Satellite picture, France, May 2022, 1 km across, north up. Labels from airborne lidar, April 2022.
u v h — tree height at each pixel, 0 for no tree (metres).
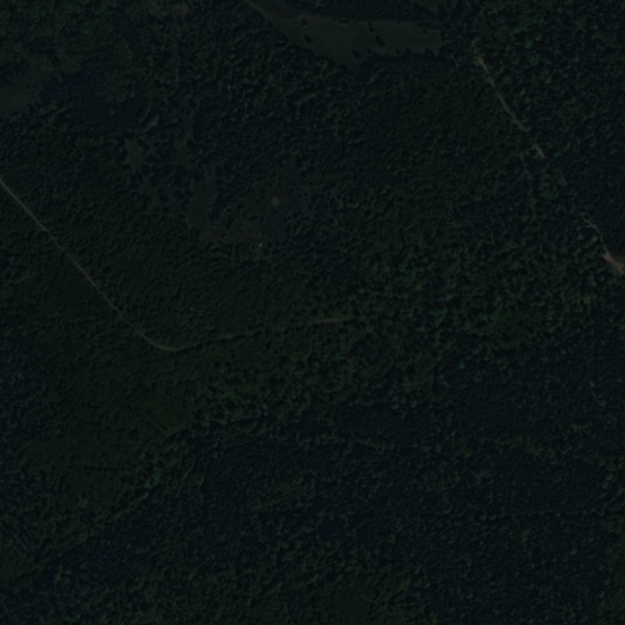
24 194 7
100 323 12
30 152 11
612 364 25
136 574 28
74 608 33
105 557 25
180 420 9
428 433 25
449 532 23
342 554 7
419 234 14
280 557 16
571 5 26
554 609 14
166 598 18
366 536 25
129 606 12
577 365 25
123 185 9
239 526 20
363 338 9
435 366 15
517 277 28
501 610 18
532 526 20
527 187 31
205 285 11
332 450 24
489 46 14
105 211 11
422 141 12
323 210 9
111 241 9
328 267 16
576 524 22
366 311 29
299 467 23
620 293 12
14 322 11
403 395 16
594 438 27
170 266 10
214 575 29
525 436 27
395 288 13
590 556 22
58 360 12
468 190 14
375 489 25
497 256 11
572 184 21
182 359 10
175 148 25
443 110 12
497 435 27
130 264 9
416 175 16
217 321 9
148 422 9
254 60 19
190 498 27
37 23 21
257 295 10
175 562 24
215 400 11
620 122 17
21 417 30
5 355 22
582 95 19
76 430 12
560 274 25
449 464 23
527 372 24
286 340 9
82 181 12
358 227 7
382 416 26
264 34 19
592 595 18
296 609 15
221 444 21
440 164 9
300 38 0
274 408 26
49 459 13
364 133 13
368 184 9
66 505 10
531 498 24
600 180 23
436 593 19
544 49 20
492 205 13
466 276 15
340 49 0
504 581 16
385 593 8
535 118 33
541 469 25
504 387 30
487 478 17
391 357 15
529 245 30
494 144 11
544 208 34
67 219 13
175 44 8
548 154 24
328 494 23
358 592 8
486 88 13
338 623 11
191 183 8
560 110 20
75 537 29
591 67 35
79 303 15
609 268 27
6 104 0
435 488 23
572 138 21
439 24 12
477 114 9
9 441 29
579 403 23
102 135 18
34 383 28
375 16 24
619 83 20
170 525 23
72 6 24
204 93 12
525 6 23
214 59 17
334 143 13
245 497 29
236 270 8
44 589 30
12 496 34
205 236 0
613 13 21
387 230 13
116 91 30
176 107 29
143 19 10
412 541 21
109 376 13
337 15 26
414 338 15
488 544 21
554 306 8
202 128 23
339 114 7
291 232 9
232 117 17
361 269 13
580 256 29
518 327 10
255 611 17
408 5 26
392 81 17
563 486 24
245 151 19
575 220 23
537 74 27
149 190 0
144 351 10
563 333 26
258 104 10
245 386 11
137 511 23
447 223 9
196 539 20
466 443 27
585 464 30
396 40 0
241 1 15
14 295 17
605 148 13
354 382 9
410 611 12
